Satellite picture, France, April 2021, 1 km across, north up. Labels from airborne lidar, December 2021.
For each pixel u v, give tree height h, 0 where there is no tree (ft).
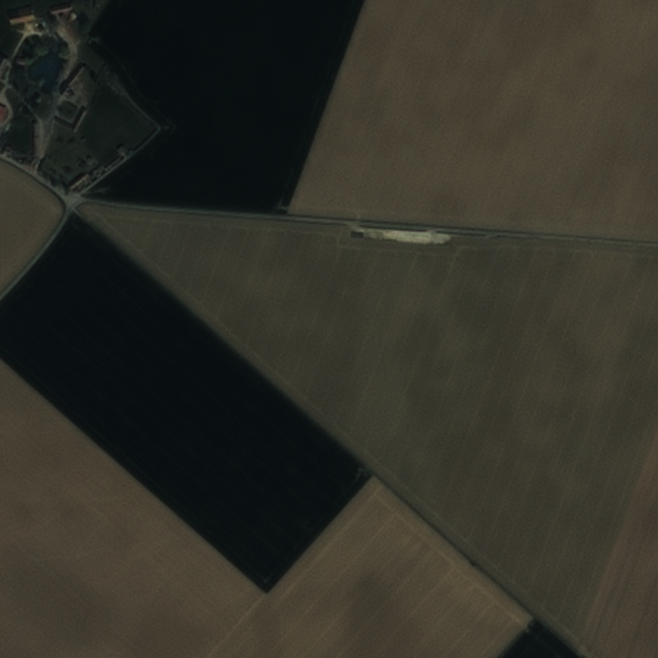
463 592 0
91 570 0
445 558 0
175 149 0
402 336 0
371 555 0
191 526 0
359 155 0
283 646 0
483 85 0
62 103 0
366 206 0
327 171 0
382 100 0
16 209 0
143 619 0
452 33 0
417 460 0
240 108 0
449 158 0
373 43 0
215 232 0
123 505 0
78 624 0
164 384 0
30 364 0
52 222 0
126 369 0
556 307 0
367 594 0
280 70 0
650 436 0
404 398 0
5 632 0
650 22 0
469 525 0
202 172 0
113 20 0
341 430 0
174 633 0
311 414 0
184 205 0
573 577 0
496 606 0
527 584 0
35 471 0
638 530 0
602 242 0
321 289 0
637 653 0
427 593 0
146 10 0
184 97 0
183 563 0
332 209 0
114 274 0
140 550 0
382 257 0
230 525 0
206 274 0
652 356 0
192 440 0
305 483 0
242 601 0
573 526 0
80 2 52
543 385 0
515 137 0
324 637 0
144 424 0
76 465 0
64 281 0
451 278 0
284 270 0
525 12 0
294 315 0
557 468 0
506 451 0
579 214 0
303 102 0
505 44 0
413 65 0
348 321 0
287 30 0
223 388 0
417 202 0
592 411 0
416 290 0
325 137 0
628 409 0
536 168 0
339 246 0
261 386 0
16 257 0
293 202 0
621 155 0
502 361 0
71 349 0
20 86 88
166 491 0
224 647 0
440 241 0
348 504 0
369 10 0
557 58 0
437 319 0
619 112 0
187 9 0
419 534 0
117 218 0
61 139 24
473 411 0
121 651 0
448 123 0
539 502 0
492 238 0
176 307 0
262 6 0
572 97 0
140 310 0
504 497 0
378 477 0
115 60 0
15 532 0
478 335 0
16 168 0
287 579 0
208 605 0
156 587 0
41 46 64
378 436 0
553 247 0
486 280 0
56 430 0
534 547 0
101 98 0
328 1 0
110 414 0
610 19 0
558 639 0
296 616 0
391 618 0
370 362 0
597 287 0
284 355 0
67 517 0
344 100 0
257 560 0
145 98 0
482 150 0
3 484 0
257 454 0
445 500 0
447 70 0
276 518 0
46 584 0
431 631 0
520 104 0
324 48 0
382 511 0
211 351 0
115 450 0
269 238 0
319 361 0
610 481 0
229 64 0
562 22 0
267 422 0
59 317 0
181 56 0
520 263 0
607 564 0
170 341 0
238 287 0
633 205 0
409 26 0
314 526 0
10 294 0
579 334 0
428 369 0
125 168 0
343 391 0
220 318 0
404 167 0
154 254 0
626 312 0
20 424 0
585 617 0
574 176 0
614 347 0
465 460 0
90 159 24
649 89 0
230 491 0
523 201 0
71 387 0
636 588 0
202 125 0
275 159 0
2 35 0
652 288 0
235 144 0
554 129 0
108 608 0
